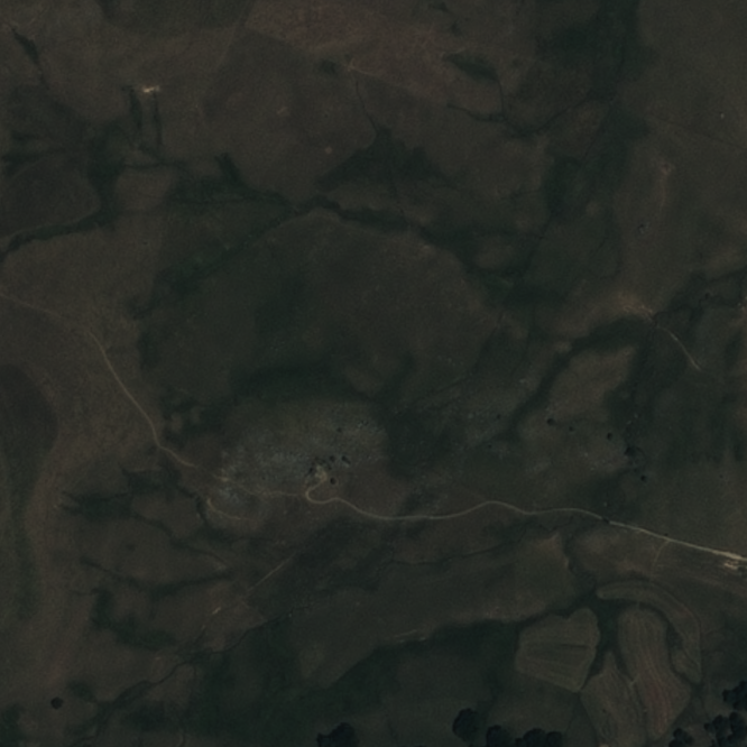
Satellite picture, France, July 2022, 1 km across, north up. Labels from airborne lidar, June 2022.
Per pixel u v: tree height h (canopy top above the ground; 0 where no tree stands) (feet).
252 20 0
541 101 0
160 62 0
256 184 0
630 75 0
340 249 0
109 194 0
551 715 0
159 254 0
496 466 0
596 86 0
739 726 40
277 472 0
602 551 0
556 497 0
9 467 0
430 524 0
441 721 0
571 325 0
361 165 0
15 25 0
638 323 0
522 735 0
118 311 0
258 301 0
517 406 0
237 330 0
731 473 0
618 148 0
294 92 0
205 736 0
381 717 0
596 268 0
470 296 0
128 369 0
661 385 0
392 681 0
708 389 0
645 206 0
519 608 0
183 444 0
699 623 0
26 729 0
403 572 0
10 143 0
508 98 0
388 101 0
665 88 0
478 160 0
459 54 0
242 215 0
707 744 0
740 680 0
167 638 0
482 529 0
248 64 0
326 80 0
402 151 0
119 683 0
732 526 0
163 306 0
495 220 0
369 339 0
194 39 0
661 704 0
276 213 0
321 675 0
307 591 0
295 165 0
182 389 0
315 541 0
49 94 0
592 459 0
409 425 0
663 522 0
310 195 0
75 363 0
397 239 0
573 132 0
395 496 0
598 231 0
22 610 0
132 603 0
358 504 0
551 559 0
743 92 0
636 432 0
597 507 0
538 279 0
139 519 0
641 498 0
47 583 0
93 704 0
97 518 0
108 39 0
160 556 0
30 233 0
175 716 0
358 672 0
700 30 0
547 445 0
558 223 0
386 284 0
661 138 0
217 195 0
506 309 0
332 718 0
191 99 0
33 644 0
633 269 0
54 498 0
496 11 0
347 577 0
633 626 0
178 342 0
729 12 0
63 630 0
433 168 0
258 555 0
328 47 0
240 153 0
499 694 0
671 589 0
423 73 0
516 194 0
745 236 0
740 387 0
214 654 0
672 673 0
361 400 0
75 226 0
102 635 0
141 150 0
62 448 0
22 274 0
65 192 0
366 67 0
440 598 0
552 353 0
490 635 0
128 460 0
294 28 0
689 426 0
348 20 0
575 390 0
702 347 0
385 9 0
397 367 0
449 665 0
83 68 0
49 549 0
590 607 0
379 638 0
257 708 0
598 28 0
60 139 0
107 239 0
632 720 0
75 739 0
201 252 0
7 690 0
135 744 0
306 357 0
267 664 0
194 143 0
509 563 0
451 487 0
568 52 0
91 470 0
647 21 0
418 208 0
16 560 0
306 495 0
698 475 0
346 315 0
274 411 0
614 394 0
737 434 0
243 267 0
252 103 0
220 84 0
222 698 0
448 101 0
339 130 0
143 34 0
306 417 0
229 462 0
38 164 0
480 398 0
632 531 0
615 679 0
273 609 0
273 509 0
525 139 0
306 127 0
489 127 0
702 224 0
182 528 0
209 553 0
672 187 0
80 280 0
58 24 0
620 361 0
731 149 0
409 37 0
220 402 0
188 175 0
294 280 0
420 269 0
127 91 0
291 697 0
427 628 0
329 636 0
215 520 0
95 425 0
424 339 0
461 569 0
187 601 0
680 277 0
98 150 0
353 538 0
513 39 0
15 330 0
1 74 0
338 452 0
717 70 0
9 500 0
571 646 0
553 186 0
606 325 0
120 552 0
